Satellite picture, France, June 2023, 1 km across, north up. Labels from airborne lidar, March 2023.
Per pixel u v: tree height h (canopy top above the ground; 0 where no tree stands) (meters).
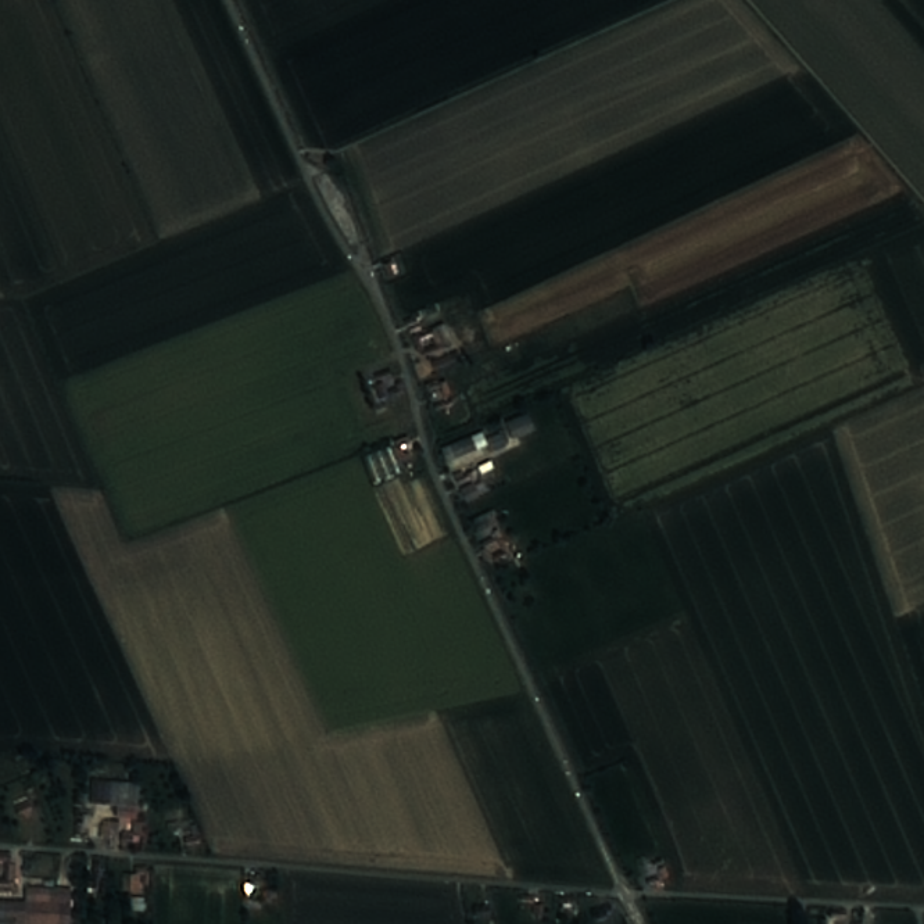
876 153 0
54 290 0
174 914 0
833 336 0
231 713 0
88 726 0
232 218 0
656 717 0
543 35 0
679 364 0
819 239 0
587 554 0
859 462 0
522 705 0
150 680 0
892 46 0
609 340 0
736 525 0
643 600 0
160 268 0
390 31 0
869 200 0
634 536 0
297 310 0
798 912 24
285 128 0
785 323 0
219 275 0
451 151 0
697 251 0
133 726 0
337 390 0
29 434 0
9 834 0
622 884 0
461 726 0
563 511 0
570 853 0
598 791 0
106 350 0
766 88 0
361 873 0
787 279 0
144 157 0
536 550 8
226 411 0
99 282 0
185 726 0
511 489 0
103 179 0
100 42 0
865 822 0
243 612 0
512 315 0
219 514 0
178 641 0
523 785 0
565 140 0
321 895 0
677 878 0
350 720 0
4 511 0
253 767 0
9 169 0
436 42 0
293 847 0
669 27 0
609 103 0
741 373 0
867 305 0
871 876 0
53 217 0
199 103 0
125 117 0
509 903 0
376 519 0
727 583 0
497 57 0
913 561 0
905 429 0
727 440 0
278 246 0
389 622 0
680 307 0
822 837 0
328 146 0
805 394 0
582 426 0
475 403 0
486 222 0
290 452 0
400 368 0
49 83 0
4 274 0
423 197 0
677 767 0
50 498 0
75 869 8
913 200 0
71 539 0
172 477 0
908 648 0
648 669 0
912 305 0
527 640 0
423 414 0
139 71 0
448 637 0
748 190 0
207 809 0
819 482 0
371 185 0
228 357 0
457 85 0
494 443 0
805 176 0
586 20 0
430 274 0
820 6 0
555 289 0
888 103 0
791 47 0
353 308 0
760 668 0
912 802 0
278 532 0
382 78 0
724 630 0
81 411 0
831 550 0
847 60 0
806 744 0
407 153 0
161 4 0
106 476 0
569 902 0
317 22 0
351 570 0
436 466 0
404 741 0
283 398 0
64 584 0
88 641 0
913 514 0
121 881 0
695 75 0
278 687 0
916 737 0
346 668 0
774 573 0
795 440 0
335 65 0
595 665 0
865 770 0
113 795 0
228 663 0
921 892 0
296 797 0
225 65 0
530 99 0
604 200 0
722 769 0
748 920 0
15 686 0
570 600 0
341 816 0
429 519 0
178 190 0
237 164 0
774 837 0
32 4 0
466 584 0
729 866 0
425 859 0
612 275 0
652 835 0
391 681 0
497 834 0
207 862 0
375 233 0
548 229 0
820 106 0
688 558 0
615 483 0
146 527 0
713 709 0
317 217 0
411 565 0
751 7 0
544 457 0
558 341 0
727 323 0
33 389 0
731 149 0
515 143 0
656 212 0
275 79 0
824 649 0
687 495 0
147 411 0
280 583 0
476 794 0
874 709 0
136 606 0
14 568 0
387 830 0
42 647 0
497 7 0
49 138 0
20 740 0
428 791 0
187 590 0
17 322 0
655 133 0
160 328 0
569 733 0
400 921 0
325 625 0
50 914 0
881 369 0
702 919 0
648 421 0
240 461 0
